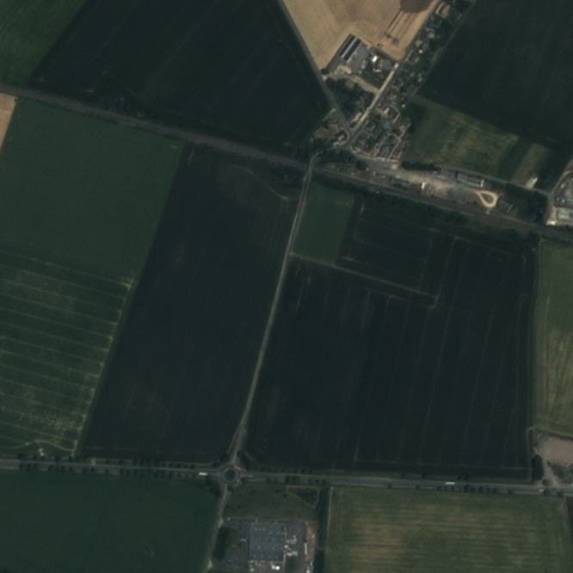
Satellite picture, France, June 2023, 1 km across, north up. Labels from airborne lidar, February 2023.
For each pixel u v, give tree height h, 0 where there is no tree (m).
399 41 0
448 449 0
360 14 0
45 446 0
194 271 0
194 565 0
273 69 0
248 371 0
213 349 0
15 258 0
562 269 0
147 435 0
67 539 0
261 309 0
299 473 11
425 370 0
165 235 0
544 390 0
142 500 0
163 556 0
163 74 0
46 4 0
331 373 0
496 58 0
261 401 0
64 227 0
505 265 0
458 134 0
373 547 0
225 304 0
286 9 0
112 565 0
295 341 0
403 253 0
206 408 0
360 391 0
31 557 0
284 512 0
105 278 0
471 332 0
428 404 0
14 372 0
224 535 8
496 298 0
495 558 0
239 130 0
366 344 0
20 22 0
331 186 7
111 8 0
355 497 0
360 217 0
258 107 0
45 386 0
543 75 0
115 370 0
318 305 0
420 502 0
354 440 0
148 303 0
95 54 0
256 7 0
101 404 0
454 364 0
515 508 0
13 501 0
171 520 0
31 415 0
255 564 0
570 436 0
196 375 0
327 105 0
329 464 0
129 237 0
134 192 0
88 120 0
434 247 0
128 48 0
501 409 0
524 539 0
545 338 0
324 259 0
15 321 0
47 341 0
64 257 0
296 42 0
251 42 0
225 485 0
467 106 0
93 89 0
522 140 0
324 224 0
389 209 0
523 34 0
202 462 0
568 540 0
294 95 0
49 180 0
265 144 0
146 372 0
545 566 0
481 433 0
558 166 0
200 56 0
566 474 0
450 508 0
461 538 0
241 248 0
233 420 0
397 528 0
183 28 0
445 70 0
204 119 0
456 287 0
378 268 0
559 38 0
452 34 13
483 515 0
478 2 0
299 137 0
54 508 0
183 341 0
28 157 0
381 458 0
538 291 0
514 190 7
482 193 0
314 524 0
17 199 0
